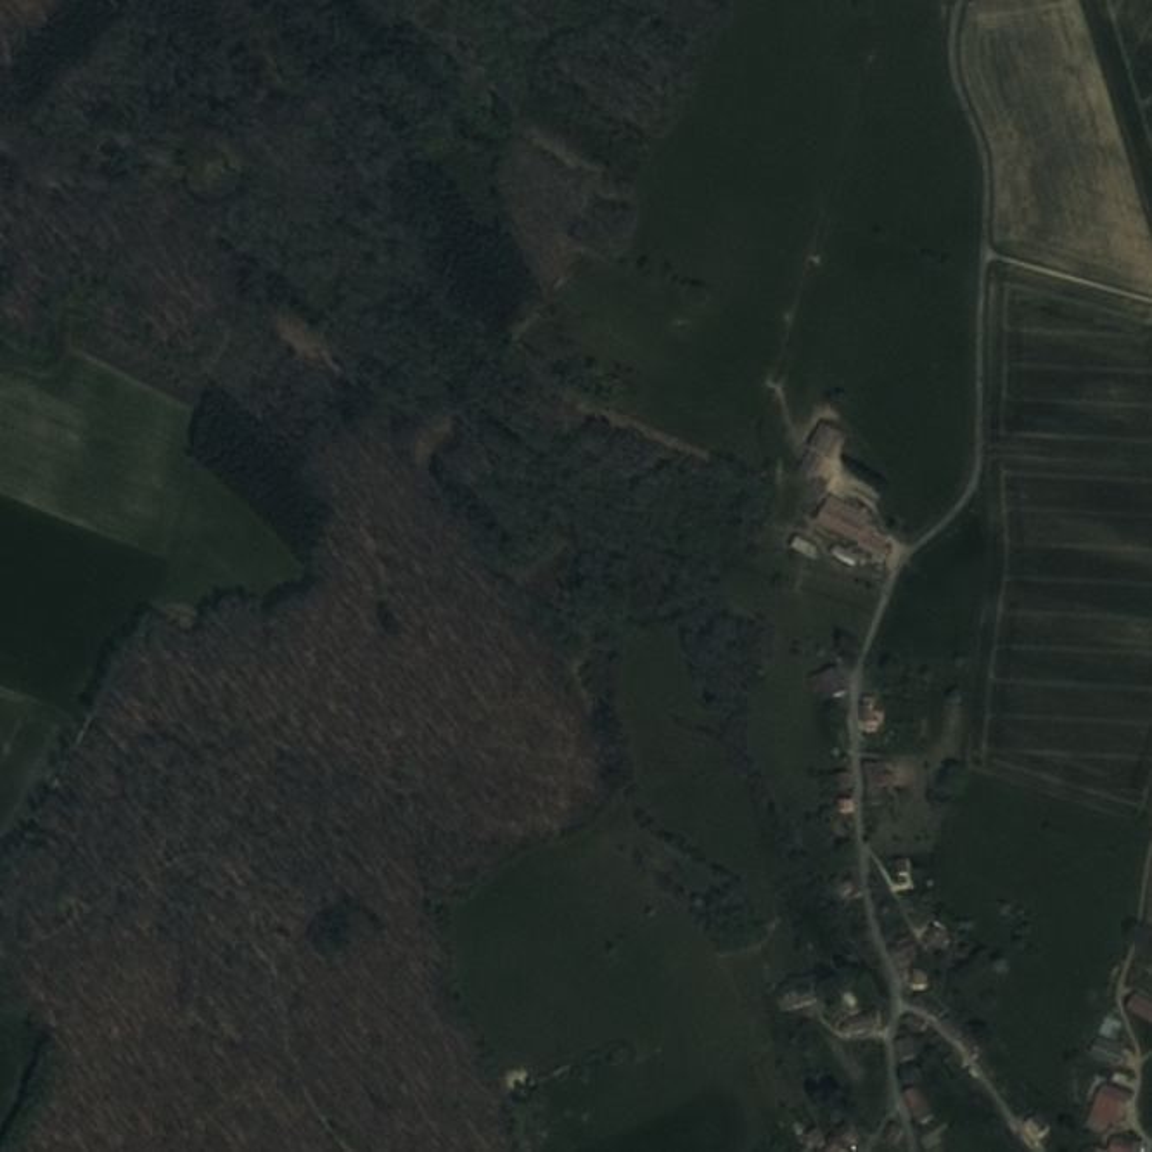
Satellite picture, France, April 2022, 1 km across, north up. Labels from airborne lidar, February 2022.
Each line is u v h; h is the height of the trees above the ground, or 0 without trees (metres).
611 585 17
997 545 0
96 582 0
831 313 0
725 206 0
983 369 0
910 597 0
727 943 19
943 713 0
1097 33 0
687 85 23
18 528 0
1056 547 0
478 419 28
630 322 0
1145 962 0
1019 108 0
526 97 8
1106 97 0
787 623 0
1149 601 0
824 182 0
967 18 0
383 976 0
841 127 0
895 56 0
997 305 0
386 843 34
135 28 21
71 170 19
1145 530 0
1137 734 0
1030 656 0
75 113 26
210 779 34
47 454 0
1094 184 0
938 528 0
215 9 30
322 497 25
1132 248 0
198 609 0
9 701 0
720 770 0
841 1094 25
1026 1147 0
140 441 0
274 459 22
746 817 0
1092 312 0
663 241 0
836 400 13
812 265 0
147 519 0
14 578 0
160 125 18
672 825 0
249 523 0
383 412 31
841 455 0
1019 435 0
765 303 0
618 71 28
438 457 0
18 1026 0
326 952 31
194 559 0
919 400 0
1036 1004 0
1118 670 0
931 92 0
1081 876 0
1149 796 0
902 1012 0
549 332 0
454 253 26
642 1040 0
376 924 22
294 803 33
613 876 0
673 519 13
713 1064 0
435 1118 24
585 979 0
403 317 18
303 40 33
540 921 0
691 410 0
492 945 0
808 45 0
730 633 23
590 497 20
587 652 26
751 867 0
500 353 24
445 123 27
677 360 0
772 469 8
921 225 0
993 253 0
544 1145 14
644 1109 0
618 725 26
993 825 0
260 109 31
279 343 25
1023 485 0
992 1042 20
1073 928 0
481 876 24
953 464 0
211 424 20
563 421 29
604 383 10
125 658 27
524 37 29
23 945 27
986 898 0
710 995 0
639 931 0
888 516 0
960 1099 0
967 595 0
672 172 0
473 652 0
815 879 18
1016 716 0
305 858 33
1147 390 0
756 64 0
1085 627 0
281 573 0
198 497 0
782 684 0
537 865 0
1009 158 0
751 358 0
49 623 0
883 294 0
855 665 13
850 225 0
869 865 0
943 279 0
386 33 21
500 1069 6
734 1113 0
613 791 20
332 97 34
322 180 33
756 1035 0
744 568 0
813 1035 12
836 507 0
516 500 27
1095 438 0
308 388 32
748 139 0
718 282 0
